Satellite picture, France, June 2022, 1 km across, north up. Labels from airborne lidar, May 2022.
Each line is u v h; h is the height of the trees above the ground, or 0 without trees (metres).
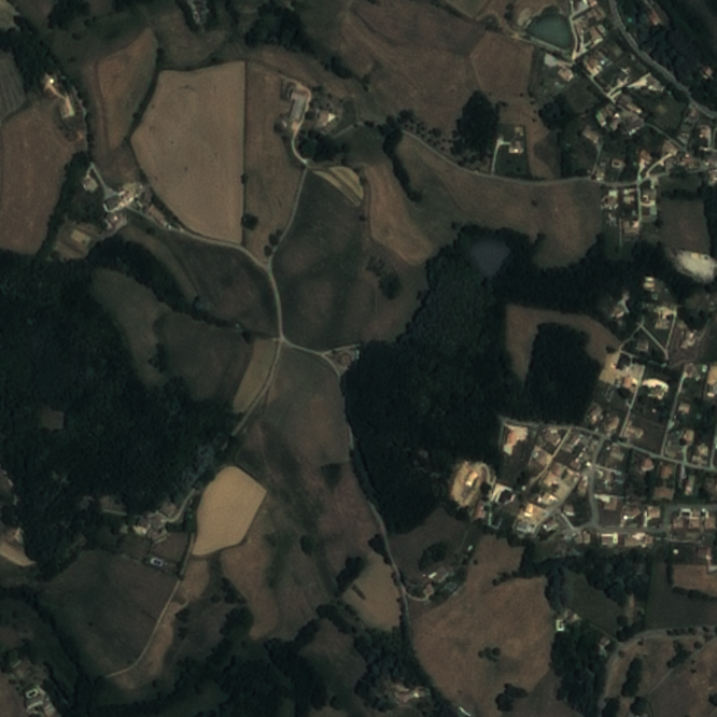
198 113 0
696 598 15
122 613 0
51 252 10
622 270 21
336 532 0
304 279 0
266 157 0
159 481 18
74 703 11
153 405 19
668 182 0
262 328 0
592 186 0
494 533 8
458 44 0
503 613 0
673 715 0
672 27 10
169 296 20
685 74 20
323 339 0
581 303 19
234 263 0
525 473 11
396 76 0
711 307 0
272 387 0
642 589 20
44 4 0
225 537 0
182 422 19
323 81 0
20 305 16
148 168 0
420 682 12
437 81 0
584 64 6
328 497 0
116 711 21
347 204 0
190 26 9
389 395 21
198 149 0
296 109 0
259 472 0
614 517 0
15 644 0
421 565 7
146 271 22
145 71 0
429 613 0
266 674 22
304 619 0
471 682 0
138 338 0
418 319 17
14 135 0
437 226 0
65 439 22
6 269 17
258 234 0
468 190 0
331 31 0
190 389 18
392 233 0
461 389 18
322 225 0
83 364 11
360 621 7
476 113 12
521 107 0
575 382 25
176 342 0
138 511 13
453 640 0
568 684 7
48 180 0
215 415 20
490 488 12
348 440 0
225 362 0
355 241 0
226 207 0
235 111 0
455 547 0
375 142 0
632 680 16
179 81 0
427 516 15
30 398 13
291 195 0
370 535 0
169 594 0
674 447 0
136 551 0
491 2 0
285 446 0
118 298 0
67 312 12
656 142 0
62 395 12
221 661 17
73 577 0
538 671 0
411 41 0
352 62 0
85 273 14
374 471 16
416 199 11
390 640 12
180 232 0
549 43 0
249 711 21
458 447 17
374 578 0
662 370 6
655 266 18
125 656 0
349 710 0
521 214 0
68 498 22
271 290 0
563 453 0
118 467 20
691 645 0
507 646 0
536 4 0
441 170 0
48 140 0
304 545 10
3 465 12
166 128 0
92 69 0
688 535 0
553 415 20
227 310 0
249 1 0
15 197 0
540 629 0
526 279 24
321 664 0
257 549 0
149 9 0
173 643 0
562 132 6
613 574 8
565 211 0
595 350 0
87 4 10
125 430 16
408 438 18
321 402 0
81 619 0
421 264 0
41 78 21
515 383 19
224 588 9
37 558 16
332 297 0
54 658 0
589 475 0
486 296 21
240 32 0
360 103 0
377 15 0
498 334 17
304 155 17
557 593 22
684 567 0
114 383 16
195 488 20
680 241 0
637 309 19
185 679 15
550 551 0
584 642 15
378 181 0
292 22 17
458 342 24
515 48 0
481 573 0
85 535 12
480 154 6
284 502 0
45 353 19
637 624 11
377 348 16
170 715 0
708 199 14
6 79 0
